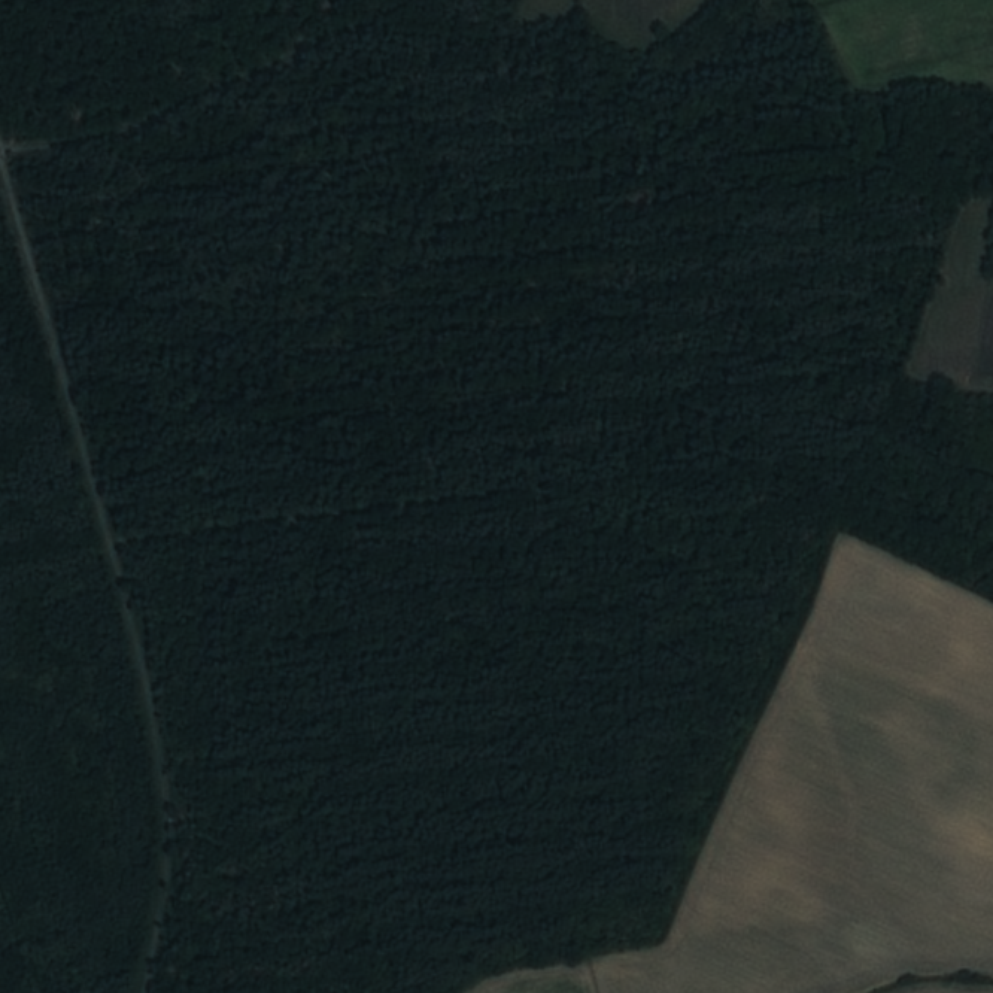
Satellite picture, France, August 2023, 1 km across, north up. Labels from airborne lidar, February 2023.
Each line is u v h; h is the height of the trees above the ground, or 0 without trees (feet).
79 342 74
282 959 68
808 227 55
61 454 68
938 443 73
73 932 53
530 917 57
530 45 56
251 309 31
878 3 0
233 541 30
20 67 68
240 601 85
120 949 58
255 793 57
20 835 44
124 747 53
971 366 0
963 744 0
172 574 51
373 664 58
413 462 63
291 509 85
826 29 37
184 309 20
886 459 90
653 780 61
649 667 79
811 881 0
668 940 0
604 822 90
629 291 58
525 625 72
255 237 101
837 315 52
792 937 0
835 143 18
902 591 0
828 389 70
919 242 57
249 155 60
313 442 72
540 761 79
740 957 0
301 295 51
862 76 0
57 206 58
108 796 34
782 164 57
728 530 68
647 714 58
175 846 49
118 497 83
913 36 0
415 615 59
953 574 62
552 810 79
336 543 38
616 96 28
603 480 60
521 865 85
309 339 62
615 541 68
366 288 62
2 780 46
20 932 36
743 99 70
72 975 51
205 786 52
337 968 57
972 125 69
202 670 46
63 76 71
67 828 31
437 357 55
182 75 75
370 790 66
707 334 65
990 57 0
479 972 51
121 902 50
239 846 60
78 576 52
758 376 82
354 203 69
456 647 54
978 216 0
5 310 33
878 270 61
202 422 74
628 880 84
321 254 23
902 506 77
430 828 80
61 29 72
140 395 55
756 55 102
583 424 54
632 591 55
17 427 69
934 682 0
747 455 83
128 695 56
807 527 71
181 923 43
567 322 26
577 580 65
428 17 72
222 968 59
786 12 57
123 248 55
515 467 84
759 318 63
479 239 72
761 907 0
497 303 43
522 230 69
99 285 38
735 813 0
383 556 64
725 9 57
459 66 63
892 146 66
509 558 73
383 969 59
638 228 77
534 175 64
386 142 72
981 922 0
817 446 76
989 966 0
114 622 53
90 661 53
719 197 74
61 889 42
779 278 61
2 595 65
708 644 69
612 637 72
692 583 75
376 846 71
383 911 67
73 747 43
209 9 78
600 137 81
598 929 50
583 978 0
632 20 0
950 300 0
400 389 62
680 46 61
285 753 80
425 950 77
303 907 51
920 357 0
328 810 89
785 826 0
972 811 0
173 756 35
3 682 32
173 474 69
